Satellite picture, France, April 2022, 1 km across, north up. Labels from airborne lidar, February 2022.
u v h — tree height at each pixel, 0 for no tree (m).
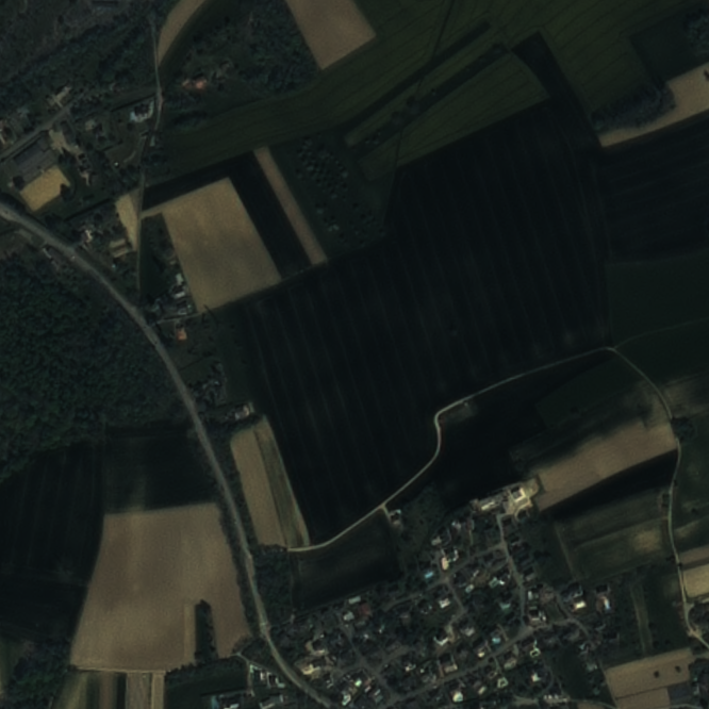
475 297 0
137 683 0
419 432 0
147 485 0
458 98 0
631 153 0
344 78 0
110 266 0
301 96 0
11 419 27
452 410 0
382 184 0
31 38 10
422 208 0
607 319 0
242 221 0
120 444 0
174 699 0
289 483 0
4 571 0
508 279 0
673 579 0
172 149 0
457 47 0
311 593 0
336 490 0
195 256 0
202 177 0
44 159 0
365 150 0
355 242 0
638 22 0
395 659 0
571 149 0
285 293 0
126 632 0
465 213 0
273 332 0
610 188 0
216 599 0
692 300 0
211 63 0
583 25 0
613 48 0
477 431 0
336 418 0
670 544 0
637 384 0
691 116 0
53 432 20
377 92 0
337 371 0
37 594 0
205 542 0
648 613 0
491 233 0
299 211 0
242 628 0
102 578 0
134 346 21
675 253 0
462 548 13
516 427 0
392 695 0
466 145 0
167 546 0
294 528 0
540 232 0
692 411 0
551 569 0
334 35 0
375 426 0
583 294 0
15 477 0
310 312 0
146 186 0
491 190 0
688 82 0
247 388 0
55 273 23
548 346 0
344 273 0
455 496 0
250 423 6
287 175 0
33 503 0
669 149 0
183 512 0
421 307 0
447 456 0
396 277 0
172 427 0
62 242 0
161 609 0
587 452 0
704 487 0
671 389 0
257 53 15
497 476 0
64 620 0
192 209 0
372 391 0
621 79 0
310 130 0
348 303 0
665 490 0
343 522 0
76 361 10
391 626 16
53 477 0
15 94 21
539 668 0
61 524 0
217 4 0
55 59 16
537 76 0
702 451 0
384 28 0
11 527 0
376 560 0
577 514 0
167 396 21
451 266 0
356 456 0
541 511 0
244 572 20
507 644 0
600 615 9
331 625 0
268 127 0
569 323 0
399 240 0
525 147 0
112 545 0
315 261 0
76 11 0
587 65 0
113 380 22
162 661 0
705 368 0
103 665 0
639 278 0
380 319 0
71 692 0
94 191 0
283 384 0
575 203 0
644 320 0
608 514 0
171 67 0
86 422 25
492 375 0
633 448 0
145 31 22
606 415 0
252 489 0
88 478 0
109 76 17
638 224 0
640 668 0
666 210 0
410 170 0
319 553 0
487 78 0
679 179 0
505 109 0
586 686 0
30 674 22
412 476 0
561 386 0
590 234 0
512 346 0
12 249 0
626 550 0
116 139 16
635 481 0
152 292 0
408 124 0
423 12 0
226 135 0
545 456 0
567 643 7
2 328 22
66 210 0
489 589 6
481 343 0
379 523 0
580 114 0
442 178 0
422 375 0
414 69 0
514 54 0
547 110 0
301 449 0
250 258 0
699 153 0
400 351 0
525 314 0
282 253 0
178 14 0
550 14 0
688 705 0
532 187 0
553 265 0
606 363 0
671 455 0
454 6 0
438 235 0
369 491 0
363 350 0
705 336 0
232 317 0
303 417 0
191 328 8
